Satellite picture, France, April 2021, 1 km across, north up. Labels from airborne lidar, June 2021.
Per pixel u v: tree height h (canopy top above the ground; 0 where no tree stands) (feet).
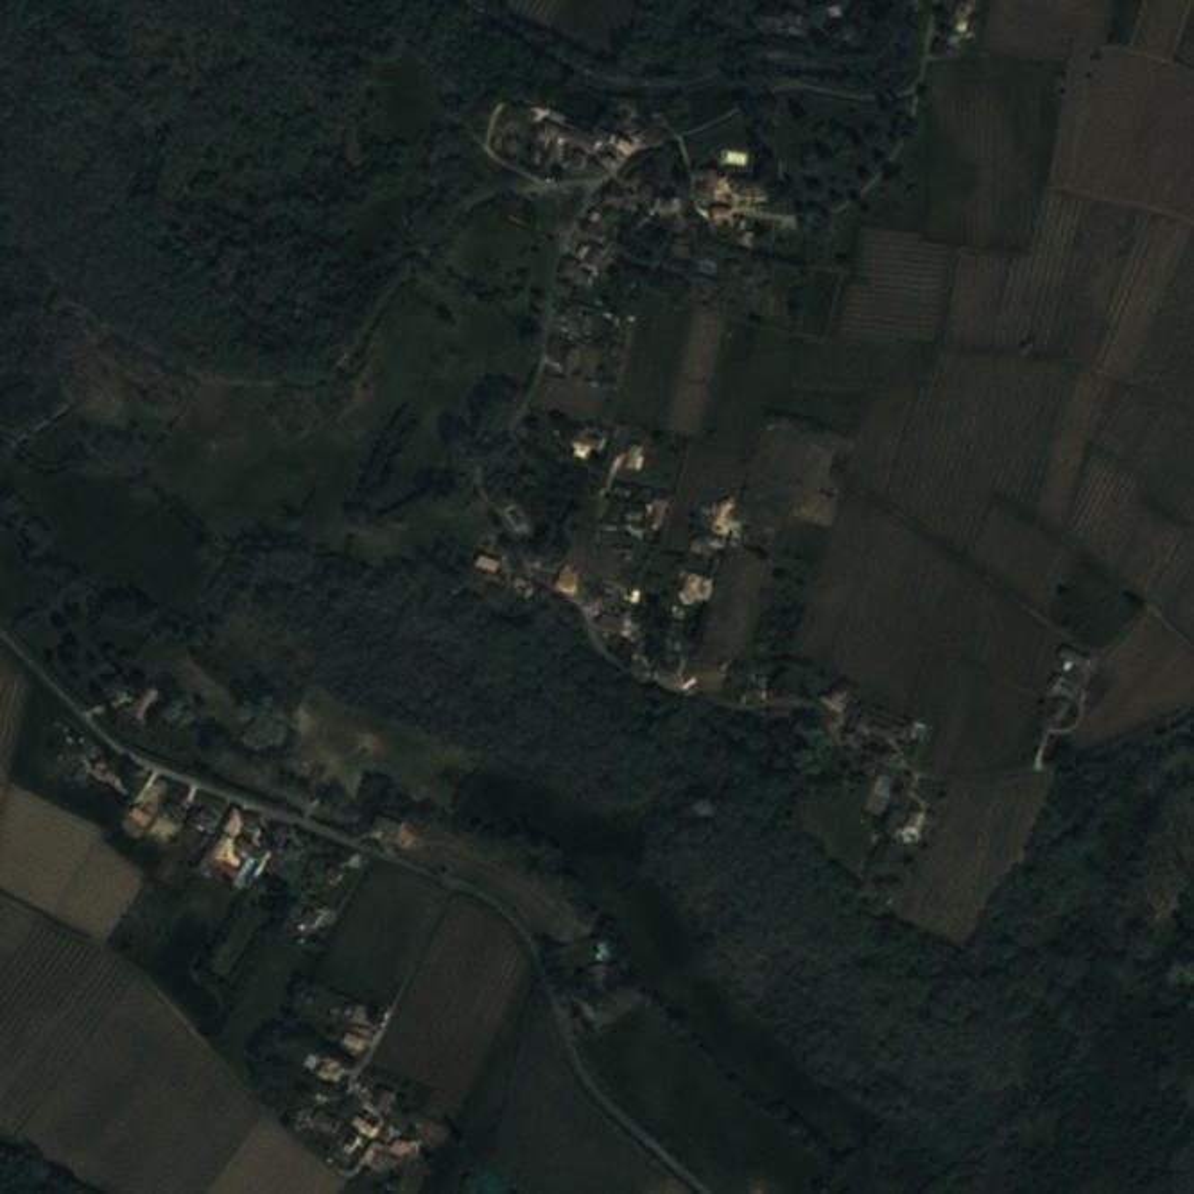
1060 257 0
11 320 55
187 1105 0
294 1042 58
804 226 25
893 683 0
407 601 62
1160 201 0
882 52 0
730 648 0
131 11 49
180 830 0
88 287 48
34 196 44
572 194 0
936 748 0
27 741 0
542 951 34
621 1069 0
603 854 0
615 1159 0
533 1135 0
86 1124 0
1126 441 0
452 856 0
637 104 26
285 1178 0
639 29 49
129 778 61
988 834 0
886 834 22
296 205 54
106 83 22
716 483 0
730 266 18
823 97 0
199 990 0
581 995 43
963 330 0
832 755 49
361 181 41
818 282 0
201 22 56
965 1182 30
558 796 0
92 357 58
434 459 0
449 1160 0
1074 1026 46
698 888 63
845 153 30
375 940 0
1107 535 0
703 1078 0
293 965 0
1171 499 0
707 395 0
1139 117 0
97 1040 0
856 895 36
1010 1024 72
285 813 31
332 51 49
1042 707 21
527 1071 0
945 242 0
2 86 41
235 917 22
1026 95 0
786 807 54
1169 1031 30
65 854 0
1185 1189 75
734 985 41
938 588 0
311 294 61
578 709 67
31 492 0
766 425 0
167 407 53
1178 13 0
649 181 43
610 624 0
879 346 0
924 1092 42
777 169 49
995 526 0
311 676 48
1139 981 67
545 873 79
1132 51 0
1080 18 0
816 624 0
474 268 0
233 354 80
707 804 107
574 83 61
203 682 0
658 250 43
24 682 0
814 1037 44
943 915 0
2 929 0
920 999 59
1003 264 0
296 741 50
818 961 52
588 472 39
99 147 48
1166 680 0
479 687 35
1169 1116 19
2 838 0
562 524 23
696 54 57
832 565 0
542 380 0
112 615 52
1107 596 0
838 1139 0
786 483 0
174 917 0
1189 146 0
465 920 0
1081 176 0
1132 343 0
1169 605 0
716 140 0
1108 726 0
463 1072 0
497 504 41
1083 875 94
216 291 50
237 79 44
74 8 31
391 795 47
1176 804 115
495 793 0
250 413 0
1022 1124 27
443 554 38
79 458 47
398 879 0
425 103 0
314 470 0
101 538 0
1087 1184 22
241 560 31
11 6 53
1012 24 0
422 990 0
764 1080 0
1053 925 77
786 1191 0
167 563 0
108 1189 0
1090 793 19
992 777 0
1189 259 0
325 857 20
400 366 0
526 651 61
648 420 0
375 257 30
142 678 40
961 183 0
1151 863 125
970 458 0
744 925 49
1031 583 0
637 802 84
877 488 0
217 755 63
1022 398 0
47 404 36
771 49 38
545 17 0
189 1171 0
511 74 66
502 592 31
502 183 55
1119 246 0
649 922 0
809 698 40
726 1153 0
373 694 26
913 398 0
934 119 0
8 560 0
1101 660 0
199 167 48
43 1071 0
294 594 52
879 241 0
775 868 77
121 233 55
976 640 0
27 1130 0
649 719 27
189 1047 0
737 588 0
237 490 0
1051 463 0
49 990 0
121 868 0
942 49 20
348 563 29
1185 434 0
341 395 56
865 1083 32
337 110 64
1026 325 0
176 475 0
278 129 61
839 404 0
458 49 62
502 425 57
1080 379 0
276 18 63
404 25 47
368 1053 0
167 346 60
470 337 0
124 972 0
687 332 0
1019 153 0
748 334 0
